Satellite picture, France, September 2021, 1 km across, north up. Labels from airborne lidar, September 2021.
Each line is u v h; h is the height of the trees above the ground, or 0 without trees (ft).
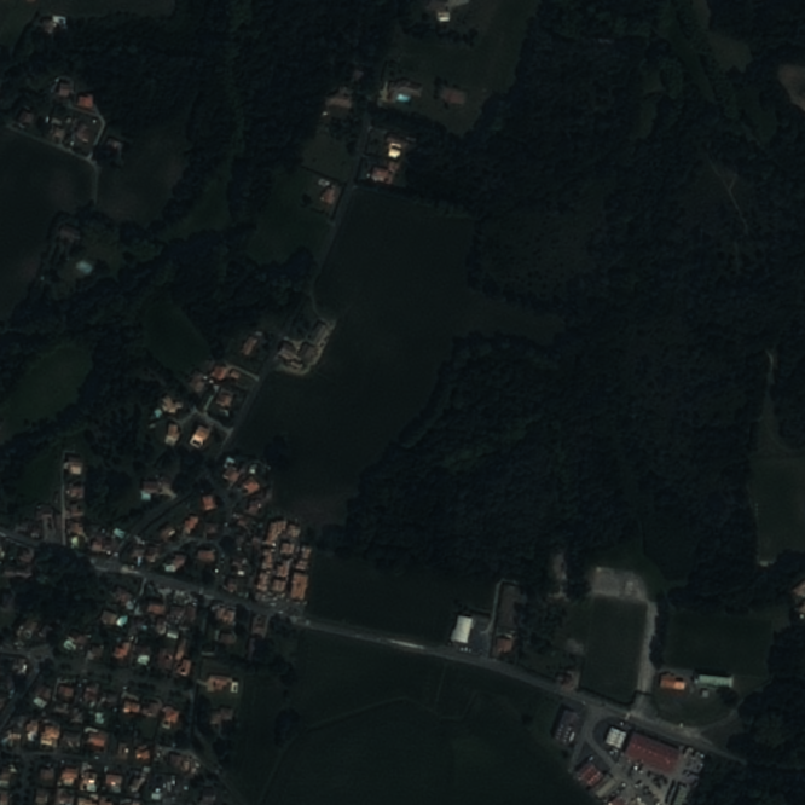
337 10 64
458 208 94
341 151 0
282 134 75
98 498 83
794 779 48
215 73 80
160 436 0
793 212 59
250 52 74
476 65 0
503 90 0
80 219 20
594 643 0
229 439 0
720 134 60
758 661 0
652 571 0
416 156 33
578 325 65
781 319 80
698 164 30
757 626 0
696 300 68
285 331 0
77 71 65
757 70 43
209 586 68
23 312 44
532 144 79
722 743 0
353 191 0
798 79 0
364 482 53
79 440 0
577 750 0
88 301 76
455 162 79
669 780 0
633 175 71
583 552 67
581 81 45
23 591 34
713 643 0
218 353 47
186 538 0
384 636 0
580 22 68
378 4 75
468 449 80
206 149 55
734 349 46
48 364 0
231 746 36
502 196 89
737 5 65
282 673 50
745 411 28
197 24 31
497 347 70
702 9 0
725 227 25
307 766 0
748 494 32
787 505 0
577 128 40
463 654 0
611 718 0
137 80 62
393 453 57
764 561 0
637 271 61
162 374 42
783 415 35
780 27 71
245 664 35
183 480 41
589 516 75
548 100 74
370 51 70
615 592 0
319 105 63
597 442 47
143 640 25
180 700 27
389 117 36
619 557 0
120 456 33
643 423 30
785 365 35
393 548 59
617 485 47
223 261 75
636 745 0
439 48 0
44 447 50
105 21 24
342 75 38
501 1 0
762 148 109
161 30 31
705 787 41
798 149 30
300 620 0
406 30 32
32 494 0
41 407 0
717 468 35
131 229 49
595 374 62
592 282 59
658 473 26
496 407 42
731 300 72
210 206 0
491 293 68
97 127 0
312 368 0
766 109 41
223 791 24
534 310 68
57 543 0
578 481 32
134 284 62
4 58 69
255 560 19
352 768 0
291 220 0
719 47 0
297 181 0
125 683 0
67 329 71
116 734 25
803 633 53
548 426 70
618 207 65
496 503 83
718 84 96
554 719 0
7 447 25
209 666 0
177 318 0
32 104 20
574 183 64
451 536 84
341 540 61
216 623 68
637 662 0
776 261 75
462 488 76
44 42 68
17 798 28
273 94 81
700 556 48
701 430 26
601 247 17
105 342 76
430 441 62
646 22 41
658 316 44
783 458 0
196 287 87
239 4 97
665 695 0
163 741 23
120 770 20
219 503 41
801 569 72
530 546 111
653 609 0
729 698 51
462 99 0
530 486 82
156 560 0
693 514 30
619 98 58
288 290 80
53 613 53
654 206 51
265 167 69
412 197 47
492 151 77
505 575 57
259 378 0
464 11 0
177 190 35
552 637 37
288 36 62
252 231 29
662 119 56
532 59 65
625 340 36
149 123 77
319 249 0
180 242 0
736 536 58
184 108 56
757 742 68
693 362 23
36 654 0
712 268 65
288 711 0
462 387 40
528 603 83
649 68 52
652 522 21
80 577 76
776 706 48
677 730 0
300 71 63
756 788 101
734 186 0
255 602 47
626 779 0
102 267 48
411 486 83
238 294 82
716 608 74
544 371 84
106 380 73
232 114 81
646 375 45
